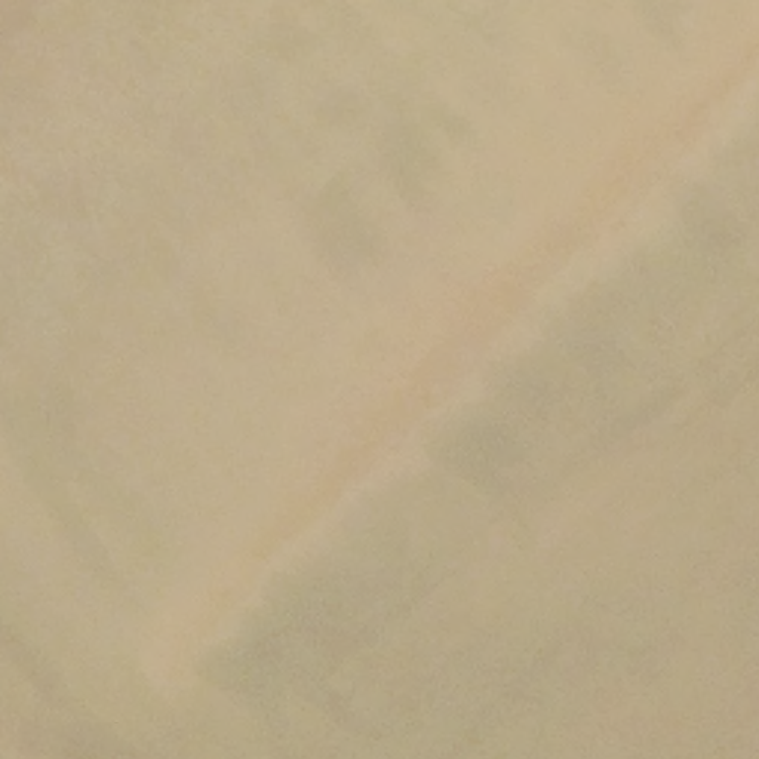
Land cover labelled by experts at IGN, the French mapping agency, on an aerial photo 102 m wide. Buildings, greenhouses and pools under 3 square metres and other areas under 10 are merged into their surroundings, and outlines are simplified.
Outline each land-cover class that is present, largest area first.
<instances>
[{"label":"water","instance_id":"1","mask_svg":"<svg viewBox=\"0 0 759 759\"><path fill-rule=\"evenodd\" d=\"M0 759H759V0H0Z\"/></svg>","mask_w":759,"mask_h":759}]
</instances>
